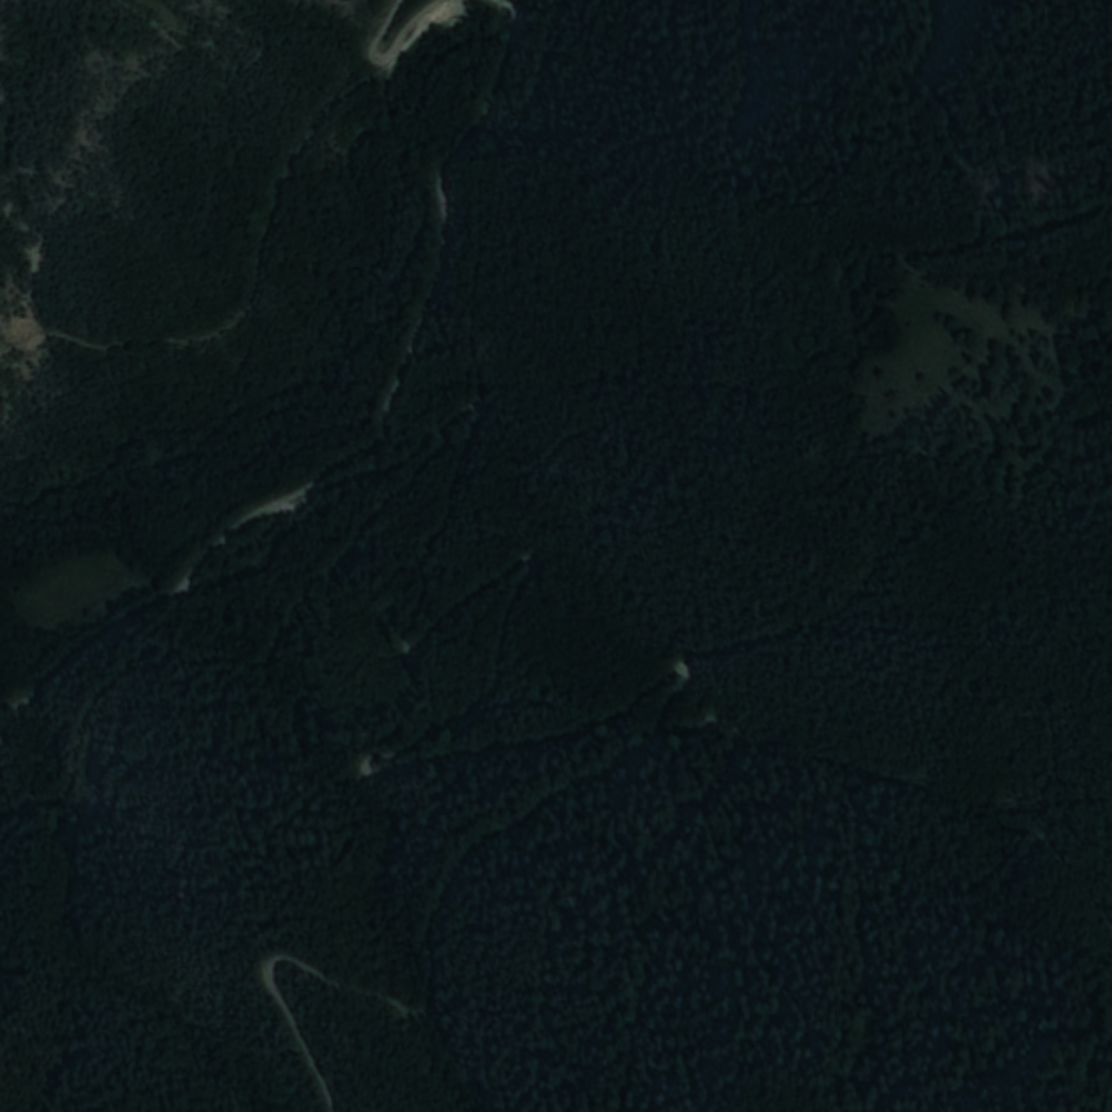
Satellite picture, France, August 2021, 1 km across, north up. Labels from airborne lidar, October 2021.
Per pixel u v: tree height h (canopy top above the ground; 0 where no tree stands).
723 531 20
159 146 18
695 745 24
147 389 18
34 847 20
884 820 27
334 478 16
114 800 6
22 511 21
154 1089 14
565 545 21
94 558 14
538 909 31
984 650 19
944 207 27
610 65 31
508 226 18
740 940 30
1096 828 25
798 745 17
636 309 28
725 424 17
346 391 27
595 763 22
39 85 16
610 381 33
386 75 0
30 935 26
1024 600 21
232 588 18
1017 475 14
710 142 30
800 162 37
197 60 13
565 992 19
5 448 16
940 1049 20
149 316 11
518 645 19
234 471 33
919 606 29
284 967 9
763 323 21
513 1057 24
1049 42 30
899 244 21
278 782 32
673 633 11
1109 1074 28
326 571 17
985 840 21
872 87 25
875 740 16
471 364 14
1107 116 29
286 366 18
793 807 18
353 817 30
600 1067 29
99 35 26
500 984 27
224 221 21
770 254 20
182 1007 8
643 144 21
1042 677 19
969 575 18
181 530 13
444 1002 20
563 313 28
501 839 14
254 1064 18
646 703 22
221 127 23
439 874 24
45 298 18
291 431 32
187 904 20
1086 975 31
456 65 21
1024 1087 16
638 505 24
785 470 16
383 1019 16
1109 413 19
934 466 17
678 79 34
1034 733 14
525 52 19
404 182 21
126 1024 15
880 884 29
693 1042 31
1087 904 18
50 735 16
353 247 25
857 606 17
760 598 19
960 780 17
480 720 21
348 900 23
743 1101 29
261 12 19
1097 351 18
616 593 14
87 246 16
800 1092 22
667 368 24
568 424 27
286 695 15
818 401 21
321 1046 10
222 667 19
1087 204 27
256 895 24
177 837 19
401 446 14
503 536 22
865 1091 20
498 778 21
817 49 29
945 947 26
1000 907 25
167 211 19
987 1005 18
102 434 24
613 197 16
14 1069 9
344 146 15
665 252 15
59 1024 26
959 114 34
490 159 13
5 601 21
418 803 26
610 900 28
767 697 14
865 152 28
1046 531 12
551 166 25
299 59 20
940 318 8
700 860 24
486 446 23
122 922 27
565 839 14
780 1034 24
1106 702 24
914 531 6
